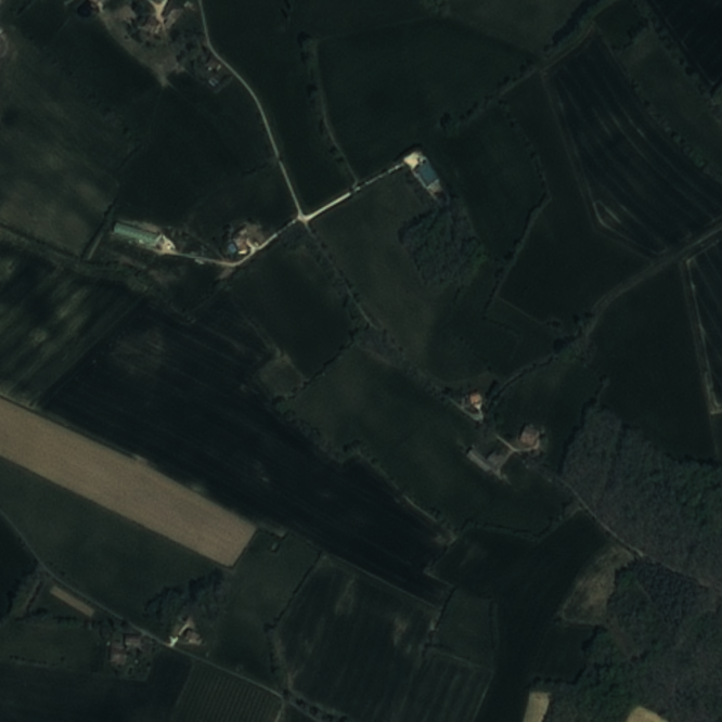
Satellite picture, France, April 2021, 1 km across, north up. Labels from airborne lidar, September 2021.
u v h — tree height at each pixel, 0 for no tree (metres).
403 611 0
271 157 12
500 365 0
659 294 0
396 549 0
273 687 0
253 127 0
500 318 0
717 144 0
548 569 0
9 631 0
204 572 0
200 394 0
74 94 0
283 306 0
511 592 0
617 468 17
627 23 0
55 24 0
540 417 0
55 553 0
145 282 7
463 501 0
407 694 0
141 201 0
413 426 0
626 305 0
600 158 0
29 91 0
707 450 0
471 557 0
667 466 21
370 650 0
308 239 13
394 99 0
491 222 0
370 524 0
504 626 0
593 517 8
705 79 0
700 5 0
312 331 0
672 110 0
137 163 0
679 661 16
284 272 0
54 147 0
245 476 0
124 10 0
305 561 0
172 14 0
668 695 20
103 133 0
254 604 0
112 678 0
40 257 0
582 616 0
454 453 0
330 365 8
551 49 10
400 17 0
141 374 0
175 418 0
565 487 14
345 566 0
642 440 17
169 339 0
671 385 0
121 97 0
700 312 0
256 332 0
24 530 0
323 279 0
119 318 0
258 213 0
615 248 0
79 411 0
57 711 0
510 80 9
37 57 0
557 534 0
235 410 0
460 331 0
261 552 0
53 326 0
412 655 0
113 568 0
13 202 0
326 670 0
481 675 0
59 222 0
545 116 0
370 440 0
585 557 0
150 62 0
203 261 0
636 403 0
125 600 0
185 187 0
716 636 15
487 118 0
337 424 0
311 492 0
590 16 23
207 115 0
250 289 0
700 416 0
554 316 0
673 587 16
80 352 0
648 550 12
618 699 21
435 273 16
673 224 0
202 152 0
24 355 0
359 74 0
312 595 0
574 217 0
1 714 0
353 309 12
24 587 14
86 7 0
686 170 0
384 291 0
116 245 0
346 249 0
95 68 0
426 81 0
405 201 0
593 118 0
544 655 0
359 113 0
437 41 0
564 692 14
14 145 0
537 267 0
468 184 0
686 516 22
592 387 0
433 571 8
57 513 0
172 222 0
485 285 0
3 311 0
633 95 0
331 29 0
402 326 0
